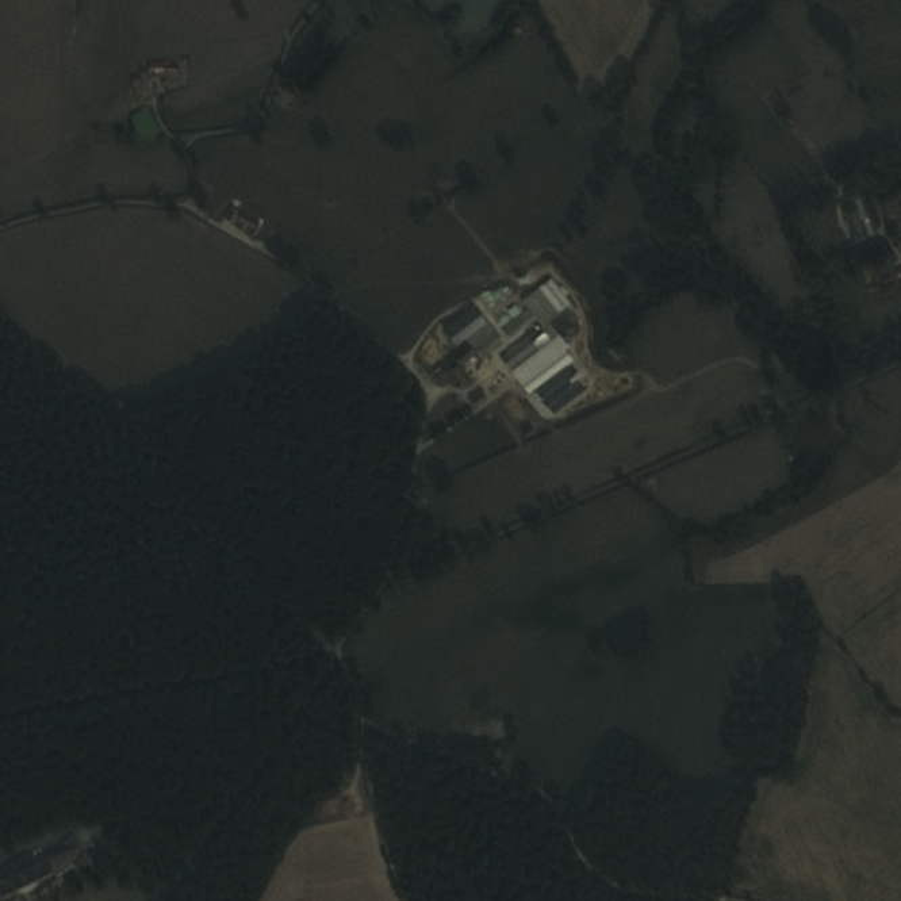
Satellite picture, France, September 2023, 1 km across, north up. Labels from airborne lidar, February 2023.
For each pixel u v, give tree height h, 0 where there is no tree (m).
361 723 0
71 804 27
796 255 16
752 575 0
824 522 0
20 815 25
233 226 0
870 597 0
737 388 0
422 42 0
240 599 26
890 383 0
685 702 0
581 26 0
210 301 0
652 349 0
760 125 0
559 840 21
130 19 0
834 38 21
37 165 0
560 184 0
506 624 0
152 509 25
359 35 0
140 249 0
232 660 22
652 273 31
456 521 0
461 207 0
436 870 20
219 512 25
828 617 0
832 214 0
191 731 27
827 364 17
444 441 0
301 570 23
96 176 0
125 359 0
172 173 0
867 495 0
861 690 0
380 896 0
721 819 19
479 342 0
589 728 0
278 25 0
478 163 0
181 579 26
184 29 0
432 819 21
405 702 0
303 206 0
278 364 22
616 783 22
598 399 0
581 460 0
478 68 0
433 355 0
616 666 0
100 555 26
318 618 17
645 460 0
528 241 0
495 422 0
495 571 0
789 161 0
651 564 0
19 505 23
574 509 0
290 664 26
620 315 11
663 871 15
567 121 0
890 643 0
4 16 0
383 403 23
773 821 0
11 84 0
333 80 0
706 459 0
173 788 28
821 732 0
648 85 0
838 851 0
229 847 25
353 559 28
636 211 0
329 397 23
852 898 0
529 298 0
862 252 21
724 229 0
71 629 24
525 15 12
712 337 0
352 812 0
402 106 0
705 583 0
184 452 26
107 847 15
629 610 0
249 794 27
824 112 0
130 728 26
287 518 25
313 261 0
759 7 13
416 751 11
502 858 19
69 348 0
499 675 0
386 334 0
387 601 0
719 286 15
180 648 28
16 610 26
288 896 0
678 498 0
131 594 28
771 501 14
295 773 27
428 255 0
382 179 0
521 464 0
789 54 0
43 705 21
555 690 0
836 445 0
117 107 0
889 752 0
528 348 0
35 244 0
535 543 0
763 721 25
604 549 0
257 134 19
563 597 0
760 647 0
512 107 0
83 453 28
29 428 28
